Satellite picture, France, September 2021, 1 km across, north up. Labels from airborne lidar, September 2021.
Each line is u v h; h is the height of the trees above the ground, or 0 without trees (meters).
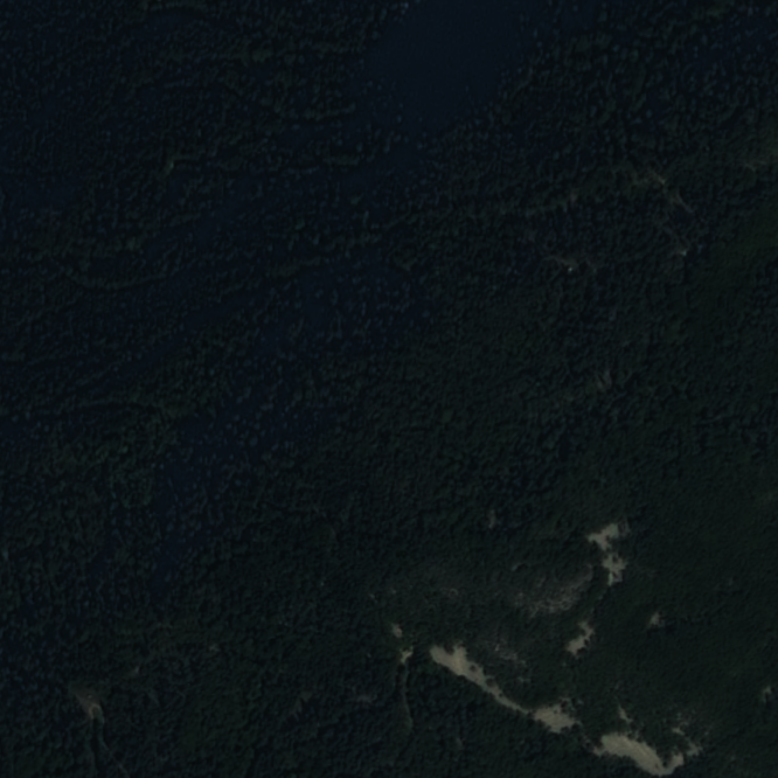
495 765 23
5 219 25
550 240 18
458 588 12
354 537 25
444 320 12
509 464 11
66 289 23
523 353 17
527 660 9
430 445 13
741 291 29
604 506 11
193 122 26
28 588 9
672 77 17
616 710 18
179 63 26
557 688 20
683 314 23
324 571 20
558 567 23
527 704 17
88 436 17
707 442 29
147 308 15
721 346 37
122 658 10
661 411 25
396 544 13
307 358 17
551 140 9
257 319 28
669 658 16
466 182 29
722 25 16
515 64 30
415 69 6
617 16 24
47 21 31
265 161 19
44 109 12
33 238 25
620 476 24
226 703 26
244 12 27
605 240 34
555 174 12
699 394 26
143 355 18
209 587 21
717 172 18
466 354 14
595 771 25
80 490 8
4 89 33
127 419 15
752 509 10
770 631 16
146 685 8
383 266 19
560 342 24
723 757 9
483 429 13
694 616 16
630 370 19
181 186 10
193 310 24
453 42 26
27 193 19
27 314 14
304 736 17
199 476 12
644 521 22
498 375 16
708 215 29
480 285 15
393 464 14
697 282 22
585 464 19
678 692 17
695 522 22
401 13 29
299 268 20
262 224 22
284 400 15
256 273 10
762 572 21
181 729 23
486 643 10
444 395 14
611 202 18
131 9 25
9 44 32
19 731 25
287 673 27
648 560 19
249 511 19
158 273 24
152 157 30
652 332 28
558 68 11
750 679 16
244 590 20
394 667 21
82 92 26
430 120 28
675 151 12
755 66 11
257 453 10
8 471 24
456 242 8
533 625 21
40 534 19
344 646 20
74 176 15
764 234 19
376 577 12
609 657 15
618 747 0
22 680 15
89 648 10
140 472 13
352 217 22
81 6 27
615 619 17
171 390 14
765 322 25
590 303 25
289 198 15
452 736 29
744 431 26
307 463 17
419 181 27
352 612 20
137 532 13
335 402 21
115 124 21
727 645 19
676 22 20
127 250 30
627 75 29
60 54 32
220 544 23
